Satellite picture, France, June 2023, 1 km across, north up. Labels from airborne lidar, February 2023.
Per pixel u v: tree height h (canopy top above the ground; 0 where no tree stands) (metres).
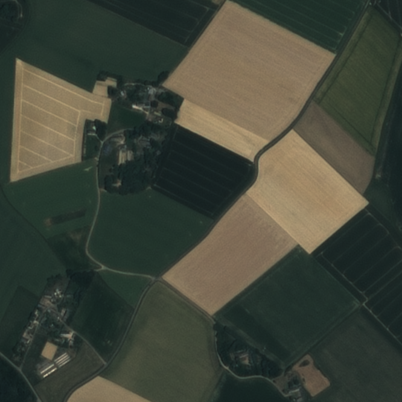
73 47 0
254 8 0
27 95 0
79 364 0
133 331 0
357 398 0
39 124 0
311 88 0
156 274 0
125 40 0
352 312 0
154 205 0
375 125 0
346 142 0
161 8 0
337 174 0
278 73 0
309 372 0
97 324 0
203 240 0
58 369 0
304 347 0
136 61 0
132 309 0
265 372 14
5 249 0
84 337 0
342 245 0
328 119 0
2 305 0
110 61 0
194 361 0
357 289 0
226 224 0
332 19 0
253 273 0
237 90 0
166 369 0
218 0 0
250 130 0
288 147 0
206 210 0
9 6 13
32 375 0
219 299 0
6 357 0
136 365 0
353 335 0
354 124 0
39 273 0
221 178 0
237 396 0
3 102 0
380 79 0
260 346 0
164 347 0
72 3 0
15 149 0
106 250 0
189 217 0
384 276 0
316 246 0
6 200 0
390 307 0
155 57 0
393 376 0
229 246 0
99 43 0
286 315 0
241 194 0
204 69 0
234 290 0
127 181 24
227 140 0
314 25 0
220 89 0
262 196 0
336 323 0
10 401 16
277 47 0
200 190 0
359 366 0
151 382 0
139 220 0
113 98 0
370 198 0
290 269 0
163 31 0
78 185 0
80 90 0
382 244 0
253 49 0
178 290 0
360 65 0
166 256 0
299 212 0
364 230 0
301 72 0
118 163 0
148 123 11
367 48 0
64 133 0
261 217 0
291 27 0
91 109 0
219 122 0
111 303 0
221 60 0
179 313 0
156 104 15
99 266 0
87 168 0
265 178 0
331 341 0
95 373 0
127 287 0
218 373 0
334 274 0
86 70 0
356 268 0
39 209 0
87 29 0
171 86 0
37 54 0
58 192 0
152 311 0
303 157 0
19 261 0
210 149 0
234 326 0
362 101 0
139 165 15
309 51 0
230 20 0
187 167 0
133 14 0
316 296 0
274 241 0
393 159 0
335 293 0
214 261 0
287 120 0
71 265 0
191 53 0
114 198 0
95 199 0
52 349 0
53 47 0
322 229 0
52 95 0
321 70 0
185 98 0
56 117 0
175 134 0
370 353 0
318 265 0
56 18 0
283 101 0
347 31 0
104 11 0
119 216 0
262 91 0
